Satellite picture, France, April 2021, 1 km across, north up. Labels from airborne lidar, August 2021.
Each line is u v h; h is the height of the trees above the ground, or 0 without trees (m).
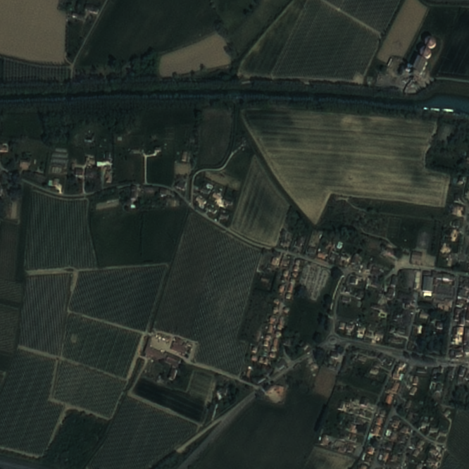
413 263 7
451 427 0
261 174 0
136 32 0
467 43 0
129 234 0
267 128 0
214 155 0
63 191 0
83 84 26
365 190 0
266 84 22
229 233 0
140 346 0
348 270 0
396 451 8
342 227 13
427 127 0
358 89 21
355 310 0
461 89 0
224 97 21
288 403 0
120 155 6
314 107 22
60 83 23
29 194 0
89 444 0
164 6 0
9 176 17
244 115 0
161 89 9
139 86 24
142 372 0
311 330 0
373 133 0
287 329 9
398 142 0
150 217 0
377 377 6
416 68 0
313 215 0
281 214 0
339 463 0
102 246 0
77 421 7
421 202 0
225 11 0
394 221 0
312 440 0
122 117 32
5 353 0
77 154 0
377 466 0
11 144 10
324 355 17
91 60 0
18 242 0
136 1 0
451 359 0
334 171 0
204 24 0
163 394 0
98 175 6
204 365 0
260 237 0
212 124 0
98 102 28
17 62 24
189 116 0
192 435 0
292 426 0
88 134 0
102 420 0
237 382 11
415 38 0
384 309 7
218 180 0
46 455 7
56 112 28
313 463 0
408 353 11
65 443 8
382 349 0
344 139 0
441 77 0
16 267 0
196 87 9
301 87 23
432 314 14
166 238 0
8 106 25
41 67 26
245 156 0
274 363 9
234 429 0
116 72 20
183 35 0
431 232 0
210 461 0
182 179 12
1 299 0
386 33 13
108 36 0
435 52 0
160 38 0
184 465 0
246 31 0
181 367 11
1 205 28
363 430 11
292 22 0
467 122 17
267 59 0
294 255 0
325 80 0
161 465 13
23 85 25
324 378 0
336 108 25
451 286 7
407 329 8
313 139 0
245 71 0
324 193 0
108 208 0
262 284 0
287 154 0
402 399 11
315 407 0
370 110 21
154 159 0
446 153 16
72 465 9
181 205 7
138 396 0
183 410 0
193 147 7
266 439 0
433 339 19
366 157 0
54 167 0
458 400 7
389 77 0
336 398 0
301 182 0
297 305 0
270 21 7
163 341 0
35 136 0
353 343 0
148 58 17
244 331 6
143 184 7
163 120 0
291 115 0
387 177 0
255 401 0
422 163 0
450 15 0
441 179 0
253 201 0
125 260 0
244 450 0
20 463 0
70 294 0
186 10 0
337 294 0
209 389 0
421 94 17
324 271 0
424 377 0
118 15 0
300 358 0
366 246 18
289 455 0
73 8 8
